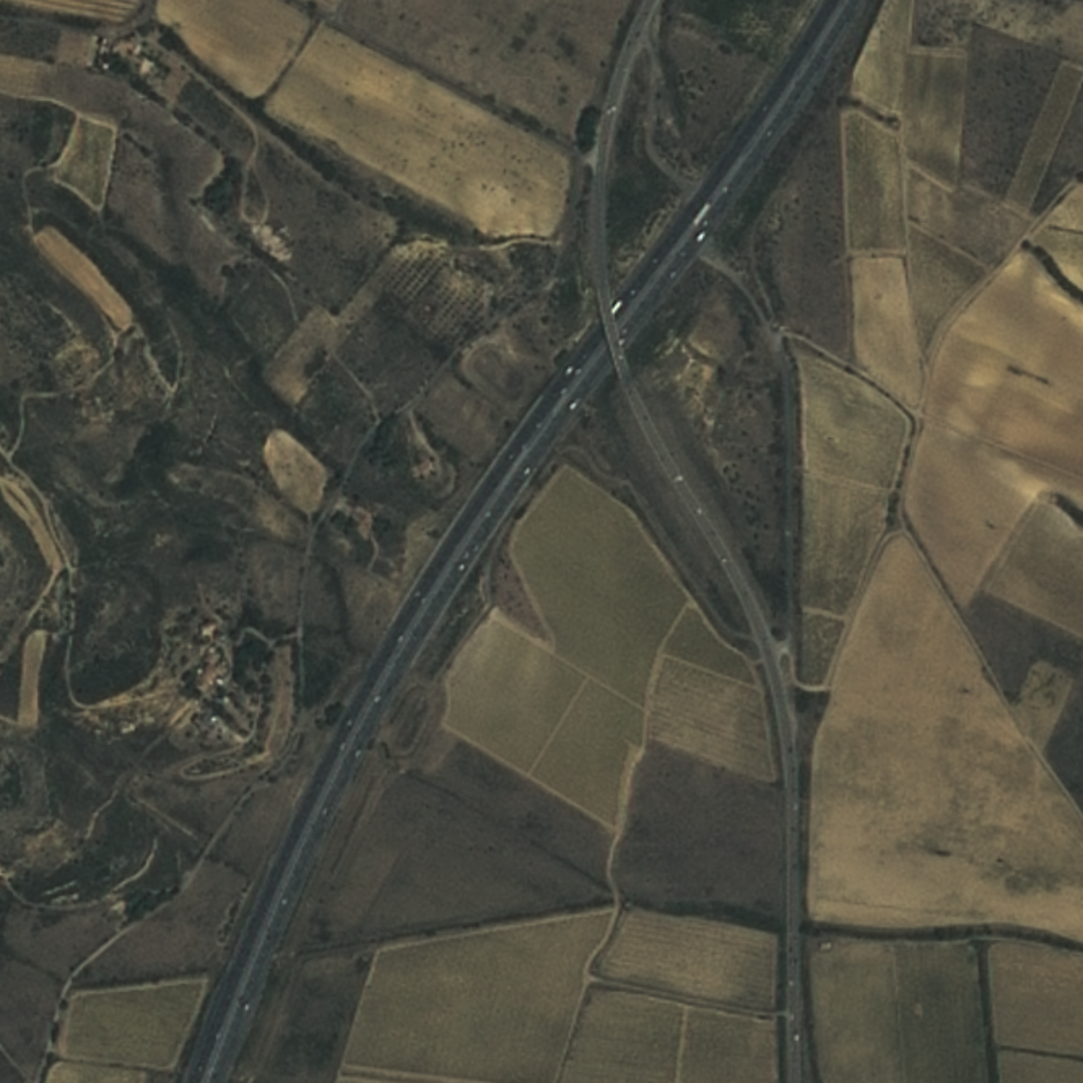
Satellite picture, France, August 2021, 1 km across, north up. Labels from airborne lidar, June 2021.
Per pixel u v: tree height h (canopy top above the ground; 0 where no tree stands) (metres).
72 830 0
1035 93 0
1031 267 0
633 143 0
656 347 0
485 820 0
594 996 0
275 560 0
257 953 0
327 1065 0
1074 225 0
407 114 0
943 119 0
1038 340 0
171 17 0
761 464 0
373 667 0
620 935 0
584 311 0
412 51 0
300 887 0
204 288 0
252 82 0
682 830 0
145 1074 0
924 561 0
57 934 0
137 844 0
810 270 0
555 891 0
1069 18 0
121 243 0
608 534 0
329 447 0
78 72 0
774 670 0
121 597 0
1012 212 0
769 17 0
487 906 0
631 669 0
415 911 0
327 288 0
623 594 0
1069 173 0
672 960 0
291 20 0
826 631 0
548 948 0
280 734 0
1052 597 0
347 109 0
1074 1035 0
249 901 0
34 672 0
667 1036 0
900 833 0
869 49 0
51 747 0
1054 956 0
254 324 0
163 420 0
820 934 7
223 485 0
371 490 0
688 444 0
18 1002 0
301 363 0
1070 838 0
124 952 0
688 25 0
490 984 0
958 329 0
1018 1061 0
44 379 0
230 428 0
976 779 0
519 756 0
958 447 0
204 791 0
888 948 0
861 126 0
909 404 0
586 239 0
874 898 0
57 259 0
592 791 0
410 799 0
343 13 0
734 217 0
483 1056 0
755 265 0
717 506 0
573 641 0
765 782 0
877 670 0
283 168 0
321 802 0
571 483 0
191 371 0
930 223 0
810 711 0
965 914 0
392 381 0
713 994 0
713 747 0
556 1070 0
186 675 7
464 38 0
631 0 0
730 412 0
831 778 0
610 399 0
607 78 0
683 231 0
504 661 0
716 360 0
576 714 0
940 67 0
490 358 0
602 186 0
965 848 0
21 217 0
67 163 0
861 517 0
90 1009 0
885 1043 0
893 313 0
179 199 0
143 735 0
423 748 0
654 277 0
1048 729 0
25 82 0
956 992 0
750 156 0
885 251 0
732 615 0
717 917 0
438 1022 0
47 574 0
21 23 0
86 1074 0
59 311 0
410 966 0
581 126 11
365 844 0
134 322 0
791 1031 0
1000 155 0
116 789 0
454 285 0
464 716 0
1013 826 0
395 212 7
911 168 0
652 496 0
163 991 0
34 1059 0
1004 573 0
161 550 0
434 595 0
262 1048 0
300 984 0
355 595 0
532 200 0
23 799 0
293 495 0
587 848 0
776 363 0
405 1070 0
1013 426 0
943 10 0
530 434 0
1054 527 0
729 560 0
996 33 0
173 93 0
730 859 0
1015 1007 0
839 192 0
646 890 0
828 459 0
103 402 0
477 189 0
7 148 0
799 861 0
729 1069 0
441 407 0
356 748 0
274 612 0
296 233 0
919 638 0
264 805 0
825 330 0
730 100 0
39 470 0
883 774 0
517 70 0
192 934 0
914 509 0
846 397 0
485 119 0
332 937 0
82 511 0
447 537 0
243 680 12
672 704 0
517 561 0
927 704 0
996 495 0
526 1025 0
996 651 0
